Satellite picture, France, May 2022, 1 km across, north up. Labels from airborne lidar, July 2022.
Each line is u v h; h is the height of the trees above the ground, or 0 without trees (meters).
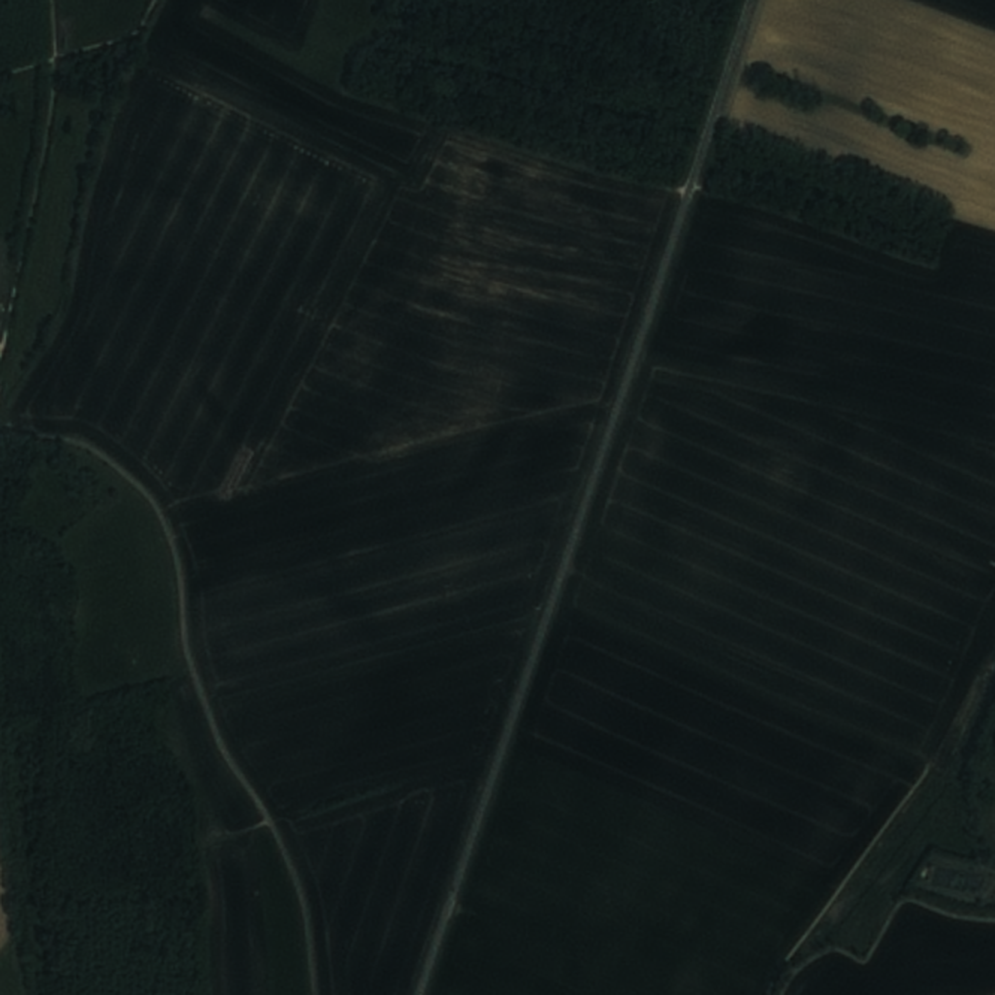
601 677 0
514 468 0
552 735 0
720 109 0
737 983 0
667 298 0
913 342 0
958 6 0
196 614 0
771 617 0
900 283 0
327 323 0
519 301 0
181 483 0
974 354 0
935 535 0
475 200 0
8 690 20
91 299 0
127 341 0
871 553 0
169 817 18
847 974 0
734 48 0
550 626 0
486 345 0
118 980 21
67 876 16
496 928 0
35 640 20
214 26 0
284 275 0
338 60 0
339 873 0
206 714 0
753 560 0
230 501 0
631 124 22
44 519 0
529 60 17
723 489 0
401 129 0
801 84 21
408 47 22
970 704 0
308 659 0
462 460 0
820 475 0
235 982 0
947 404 0
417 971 0
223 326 0
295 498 0
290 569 0
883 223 6
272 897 0
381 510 0
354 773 0
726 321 0
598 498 0
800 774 0
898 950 0
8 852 20
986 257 0
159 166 0
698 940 0
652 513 0
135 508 0
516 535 0
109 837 20
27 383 0
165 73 0
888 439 0
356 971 0
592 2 25
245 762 0
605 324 0
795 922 0
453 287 0
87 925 23
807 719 0
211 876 0
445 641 0
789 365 0
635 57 27
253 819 0
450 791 0
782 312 0
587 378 0
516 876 0
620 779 0
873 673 0
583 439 0
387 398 0
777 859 0
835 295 0
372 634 0
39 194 6
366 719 0
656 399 0
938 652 0
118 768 16
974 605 0
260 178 0
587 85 20
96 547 0
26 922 18
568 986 0
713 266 0
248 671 0
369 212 0
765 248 0
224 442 0
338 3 0
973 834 20
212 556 0
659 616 0
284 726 0
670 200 0
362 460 0
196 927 13
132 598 0
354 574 0
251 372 0
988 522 0
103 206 0
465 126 20
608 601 0
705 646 0
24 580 18
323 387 0
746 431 0
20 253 14
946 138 17
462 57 23
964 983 0
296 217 0
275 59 0
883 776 0
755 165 10
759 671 0
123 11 0
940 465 0
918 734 0
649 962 0
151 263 0
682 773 0
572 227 0
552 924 0
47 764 17
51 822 15
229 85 0
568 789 0
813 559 0
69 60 15
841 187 13
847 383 0
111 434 0
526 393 0
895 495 0
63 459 20
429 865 0
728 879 0
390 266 0
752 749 0
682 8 31
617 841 0
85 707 17
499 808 0
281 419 0
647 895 0
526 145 18
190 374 0
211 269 0
